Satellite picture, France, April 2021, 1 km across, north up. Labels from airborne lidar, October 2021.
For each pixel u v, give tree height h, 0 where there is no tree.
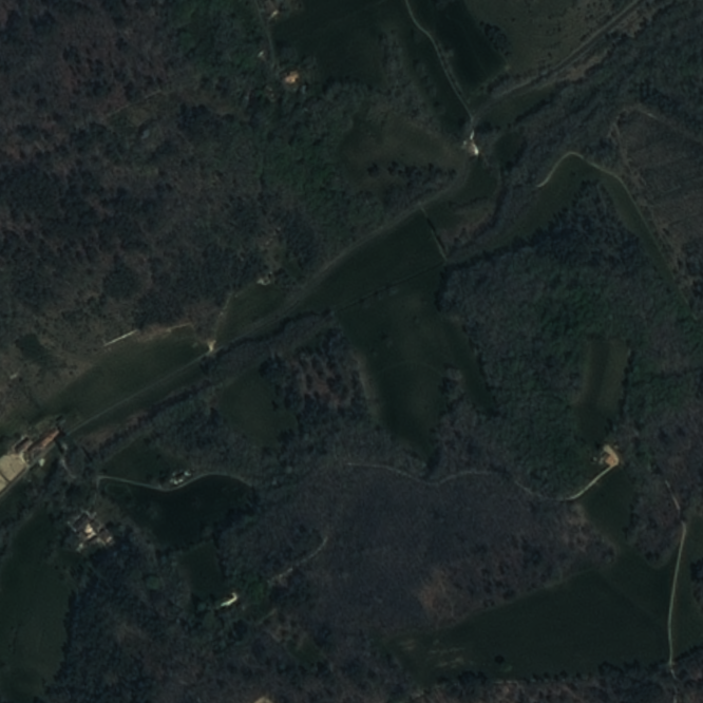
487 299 22
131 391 0
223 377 28
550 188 0
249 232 17
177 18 15
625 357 0
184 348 0
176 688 19
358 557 9
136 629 22
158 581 19
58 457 0
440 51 8
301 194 26
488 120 0
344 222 25
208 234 19
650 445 16
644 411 17
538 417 23
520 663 0
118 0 24
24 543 0
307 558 23
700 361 21
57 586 0
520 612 0
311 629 14
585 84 16
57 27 28
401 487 17
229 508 0
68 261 25
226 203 13
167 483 12
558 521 16
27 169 10
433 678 0
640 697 23
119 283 23
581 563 11
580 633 0
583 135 13
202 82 12
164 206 22
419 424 0
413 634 0
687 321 17
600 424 0
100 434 0
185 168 18
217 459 20
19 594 0
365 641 18
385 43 15
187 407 20
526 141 14
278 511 22
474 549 16
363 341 0
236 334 0
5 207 21
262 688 12
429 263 0
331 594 16
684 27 19
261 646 17
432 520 18
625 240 16
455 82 11
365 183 0
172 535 0
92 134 12
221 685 9
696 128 23
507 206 21
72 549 17
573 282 16
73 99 8
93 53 12
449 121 0
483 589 9
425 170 10
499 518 15
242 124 12
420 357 0
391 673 13
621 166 9
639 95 14
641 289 21
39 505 14
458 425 20
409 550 16
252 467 22
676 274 10
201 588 0
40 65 18
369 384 0
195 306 21
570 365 18
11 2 10
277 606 23
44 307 24
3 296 23
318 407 18
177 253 19
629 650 0
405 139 0
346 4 0
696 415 11
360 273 0
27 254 27
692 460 9
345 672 14
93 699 12
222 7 23
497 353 19
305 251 19
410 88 18
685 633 0
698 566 0
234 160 26
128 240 23
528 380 23
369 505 16
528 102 0
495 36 18
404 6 0
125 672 23
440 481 19
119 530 9
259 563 20
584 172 0
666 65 25
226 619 11
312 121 23
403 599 19
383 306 0
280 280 13
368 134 8
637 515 9
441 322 0
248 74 7
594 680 14
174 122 13
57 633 0
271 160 27
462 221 0
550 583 17
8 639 0
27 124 10
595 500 0
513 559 6
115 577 20
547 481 17
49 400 0
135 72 13
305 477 18
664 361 23
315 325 18
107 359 0
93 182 26
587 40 15
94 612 25
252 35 7
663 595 0
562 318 11
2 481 0
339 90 23
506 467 17
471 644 0
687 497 12
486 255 0
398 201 22
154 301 22
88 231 26
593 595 0
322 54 0
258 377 0
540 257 21
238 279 19
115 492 0
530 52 0
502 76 0
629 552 0
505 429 26
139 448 0
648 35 15
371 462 18
